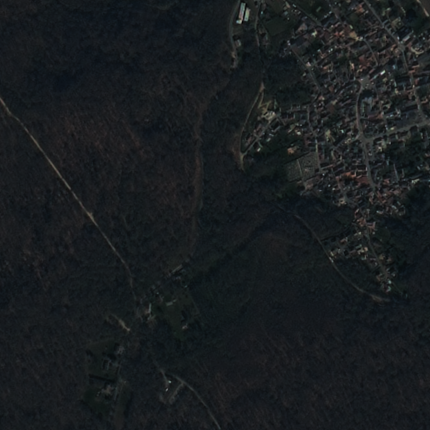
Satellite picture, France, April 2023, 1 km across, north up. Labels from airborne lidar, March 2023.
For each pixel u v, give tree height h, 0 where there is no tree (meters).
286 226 27
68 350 25
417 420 16
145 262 22
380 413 27
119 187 20
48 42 28
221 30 13
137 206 19
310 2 0
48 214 23
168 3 28
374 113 0
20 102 26
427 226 22
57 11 24
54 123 23
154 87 19
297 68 14
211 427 22
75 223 23
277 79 12
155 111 21
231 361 14
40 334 17
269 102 0
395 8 9
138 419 28
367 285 16
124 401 0
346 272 17
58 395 27
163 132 23
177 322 0
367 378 27
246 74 16
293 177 0
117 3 16
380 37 0
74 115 25
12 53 32
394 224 15
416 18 23
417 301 24
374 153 0
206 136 26
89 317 19
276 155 10
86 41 29
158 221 23
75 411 26
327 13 0
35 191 19
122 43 27
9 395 26
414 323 28
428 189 9
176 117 25
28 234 23
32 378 25
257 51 18
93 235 18
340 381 25
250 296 16
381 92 0
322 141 0
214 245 17
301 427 25
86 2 27
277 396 26
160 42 28
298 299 16
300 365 25
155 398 22
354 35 0
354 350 26
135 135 17
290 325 18
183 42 16
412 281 26
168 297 0
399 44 0
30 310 20
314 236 21
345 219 0
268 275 17
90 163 21
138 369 22
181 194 26
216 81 23
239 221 28
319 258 25
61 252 24
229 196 25
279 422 23
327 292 12
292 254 23
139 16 28
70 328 27
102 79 28
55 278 20
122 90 26
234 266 25
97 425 20
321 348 30
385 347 27
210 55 21
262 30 0
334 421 22
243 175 27
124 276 22
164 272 24
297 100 14
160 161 20
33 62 21
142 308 20
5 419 25
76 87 27
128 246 16
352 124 0
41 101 27
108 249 22
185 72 17
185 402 21
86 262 21
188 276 5
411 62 0
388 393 24
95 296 29
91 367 0
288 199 11
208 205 18
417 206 18
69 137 23
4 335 23
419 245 24
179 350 30
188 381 11
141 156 24
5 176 26
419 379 28
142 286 25
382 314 30
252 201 28
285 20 7
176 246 21
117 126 24
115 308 19
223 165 34
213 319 28
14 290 18
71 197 23
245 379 14
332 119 6
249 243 13
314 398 25
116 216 20
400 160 7
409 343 29
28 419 27
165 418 23
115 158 24
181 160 29
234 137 29
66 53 33
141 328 7
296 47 0
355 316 23
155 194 21
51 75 34
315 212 18
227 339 20
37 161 21
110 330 16
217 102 16
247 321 16
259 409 27
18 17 31
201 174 0
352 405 20
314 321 17
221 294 27
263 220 21
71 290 23
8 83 19
